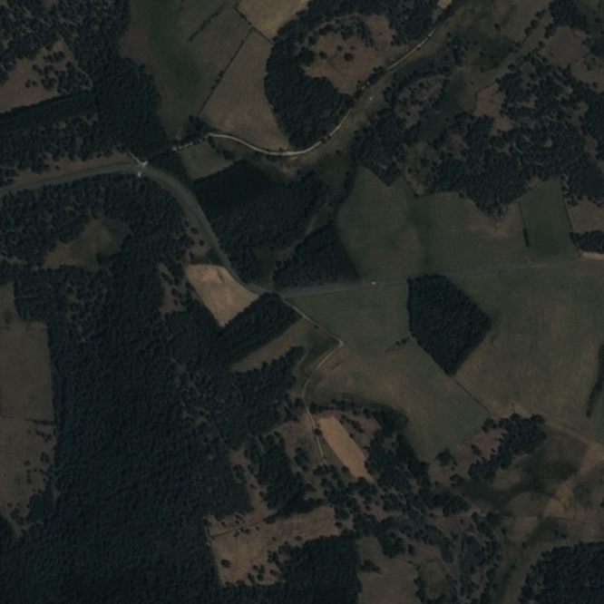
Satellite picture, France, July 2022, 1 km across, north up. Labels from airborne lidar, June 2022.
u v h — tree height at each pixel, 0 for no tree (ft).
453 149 0
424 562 0
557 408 0
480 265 0
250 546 0
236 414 42
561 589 56
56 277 55
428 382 0
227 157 48
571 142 61
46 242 55
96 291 35
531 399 0
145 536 61
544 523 0
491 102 0
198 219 0
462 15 0
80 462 53
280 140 0
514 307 0
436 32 0
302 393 0
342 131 0
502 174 59
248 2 0
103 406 67
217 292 0
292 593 51
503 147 52
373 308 0
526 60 35
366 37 42
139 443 25
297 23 43
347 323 0
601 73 0
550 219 0
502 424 52
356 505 52
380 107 0
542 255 0
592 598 53
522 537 0
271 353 0
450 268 0
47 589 48
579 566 66
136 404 68
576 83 47
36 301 66
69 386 69
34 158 59
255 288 0
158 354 43
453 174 47
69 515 73
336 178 0
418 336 56
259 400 54
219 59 0
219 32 0
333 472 58
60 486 53
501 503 0
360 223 0
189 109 0
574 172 38
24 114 96
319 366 0
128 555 63
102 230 0
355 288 0
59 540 64
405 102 31
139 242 61
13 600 69
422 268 0
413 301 57
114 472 72
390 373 0
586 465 0
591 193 44
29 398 0
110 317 58
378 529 69
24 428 0
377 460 41
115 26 64
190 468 49
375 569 52
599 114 55
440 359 63
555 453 0
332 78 0
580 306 0
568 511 0
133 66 61
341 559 100
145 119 68
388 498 39
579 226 0
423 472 28
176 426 35
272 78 59
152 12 0
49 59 38
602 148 63
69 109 74
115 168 0
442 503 37
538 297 0
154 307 35
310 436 0
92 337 24
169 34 0
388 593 0
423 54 0
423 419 0
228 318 0
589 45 17
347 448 0
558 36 0
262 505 0
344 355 0
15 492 0
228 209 68
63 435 51
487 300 0
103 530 55
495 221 0
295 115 55
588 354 0
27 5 72
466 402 0
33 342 0
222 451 42
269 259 0
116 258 51
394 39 35
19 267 60
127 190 52
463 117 39
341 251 52
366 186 0
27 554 43
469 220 0
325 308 0
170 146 48
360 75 0
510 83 52
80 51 58
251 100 0
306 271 55
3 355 0
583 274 0
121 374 55
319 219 0
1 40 28
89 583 58
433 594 0
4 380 0
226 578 0
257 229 64
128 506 63
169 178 0
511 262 0
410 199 0
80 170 0
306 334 0
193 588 49
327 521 0
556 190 0
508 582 0
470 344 81
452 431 0
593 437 0
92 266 0
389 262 0
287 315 53
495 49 0
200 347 62
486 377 0
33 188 0
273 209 60
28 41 47
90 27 62
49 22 37
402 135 50
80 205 47
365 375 0
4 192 0
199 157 0
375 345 0
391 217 0
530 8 0
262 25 0
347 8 44
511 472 0
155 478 45
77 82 42
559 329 0
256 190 63
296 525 0
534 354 0
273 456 59
